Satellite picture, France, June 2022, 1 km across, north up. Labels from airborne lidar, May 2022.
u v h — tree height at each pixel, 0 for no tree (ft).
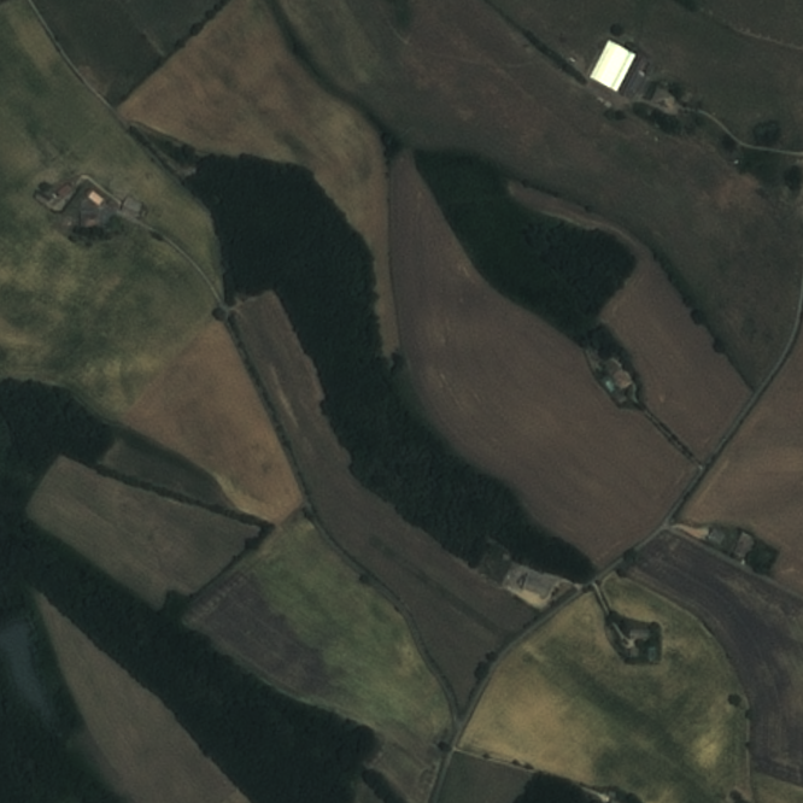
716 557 0
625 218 0
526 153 0
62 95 0
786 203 0
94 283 0
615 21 0
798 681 0
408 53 0
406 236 0
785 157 0
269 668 0
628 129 0
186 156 39
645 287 0
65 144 0
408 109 0
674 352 0
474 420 0
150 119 0
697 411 0
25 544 42
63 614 38
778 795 0
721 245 0
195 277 0
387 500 30
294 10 0
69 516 0
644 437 0
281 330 0
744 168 0
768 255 0
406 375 0
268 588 0
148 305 0
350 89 0
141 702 0
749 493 0
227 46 0
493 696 0
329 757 43
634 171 0
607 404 0
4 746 66
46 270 0
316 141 0
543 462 0
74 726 32
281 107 0
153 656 54
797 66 0
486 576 0
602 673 0
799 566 0
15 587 55
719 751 0
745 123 0
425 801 0
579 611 0
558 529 0
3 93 0
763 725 0
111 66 0
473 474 69
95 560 0
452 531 51
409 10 0
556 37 0
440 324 0
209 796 0
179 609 0
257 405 0
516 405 0
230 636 0
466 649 0
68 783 51
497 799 0
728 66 0
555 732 0
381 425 52
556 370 0
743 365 0
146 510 0
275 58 0
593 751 0
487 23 0
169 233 0
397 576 0
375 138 0
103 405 0
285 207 55
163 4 0
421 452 43
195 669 53
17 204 0
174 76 0
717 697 0
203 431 0
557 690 0
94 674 0
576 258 50
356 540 0
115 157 0
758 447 0
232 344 0
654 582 0
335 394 65
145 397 0
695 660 0
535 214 0
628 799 39
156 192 0
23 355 0
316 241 82
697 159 0
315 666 0
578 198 0
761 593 0
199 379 0
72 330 0
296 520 0
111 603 80
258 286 47
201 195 35
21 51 0
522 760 0
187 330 0
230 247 35
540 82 0
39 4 0
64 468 0
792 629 0
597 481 0
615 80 0
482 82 0
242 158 45
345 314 80
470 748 0
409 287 0
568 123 0
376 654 0
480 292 0
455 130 0
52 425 62
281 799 60
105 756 0
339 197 0
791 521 0
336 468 0
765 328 0
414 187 0
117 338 0
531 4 0
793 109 0
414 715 0
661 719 0
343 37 0
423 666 0
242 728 80
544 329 0
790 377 0
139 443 0
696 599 0
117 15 0
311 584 0
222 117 0
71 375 0
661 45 0
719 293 0
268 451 0
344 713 0
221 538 0
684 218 0
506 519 48
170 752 0
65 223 0
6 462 21
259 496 0
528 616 0
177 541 0
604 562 0
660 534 0
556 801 31
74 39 0
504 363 0
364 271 49
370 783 48
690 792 0
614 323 0
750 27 0
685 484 0
